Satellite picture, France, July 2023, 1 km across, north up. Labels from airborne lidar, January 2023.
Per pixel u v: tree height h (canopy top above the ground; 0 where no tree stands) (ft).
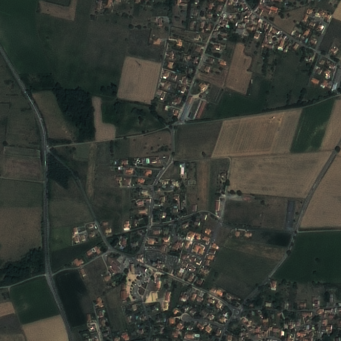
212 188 0
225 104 0
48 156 27
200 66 0
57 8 0
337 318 40
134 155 0
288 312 34
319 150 0
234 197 0
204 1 22
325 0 0
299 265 0
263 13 0
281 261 0
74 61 0
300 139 0
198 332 22
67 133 0
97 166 0
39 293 0
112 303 0
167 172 0
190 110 0
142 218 0
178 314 28
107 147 0
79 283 0
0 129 0
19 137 0
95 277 0
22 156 0
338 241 0
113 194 0
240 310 0
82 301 0
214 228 0
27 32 0
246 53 0
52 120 0
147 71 0
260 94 0
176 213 0
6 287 0
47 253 0
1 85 0
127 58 0
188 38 0
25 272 68
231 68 0
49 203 0
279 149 0
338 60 27
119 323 0
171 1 31
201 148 0
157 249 0
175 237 0
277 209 0
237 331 19
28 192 0
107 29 0
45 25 0
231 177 0
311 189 0
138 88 0
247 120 0
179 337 23
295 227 0
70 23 0
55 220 0
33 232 0
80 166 0
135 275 0
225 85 0
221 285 0
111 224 0
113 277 39
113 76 0
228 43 0
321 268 0
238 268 0
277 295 28
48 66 0
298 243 0
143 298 0
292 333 25
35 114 0
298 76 0
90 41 0
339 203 0
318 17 0
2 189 0
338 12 0
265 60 32
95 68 0
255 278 0
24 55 0
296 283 29
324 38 0
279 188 0
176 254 27
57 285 0
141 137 0
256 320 0
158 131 0
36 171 0
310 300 0
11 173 0
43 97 0
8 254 0
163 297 0
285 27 0
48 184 32
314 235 0
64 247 0
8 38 0
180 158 0
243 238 0
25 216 0
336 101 0
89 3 0
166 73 0
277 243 0
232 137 0
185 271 0
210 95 0
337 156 0
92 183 0
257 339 0
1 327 0
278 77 0
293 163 0
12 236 0
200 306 23
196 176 0
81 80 0
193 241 0
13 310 0
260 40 0
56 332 0
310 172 0
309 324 21
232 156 0
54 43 0
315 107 0
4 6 0
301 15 0
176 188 27
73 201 0
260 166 0
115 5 0
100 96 0
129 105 0
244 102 0
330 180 0
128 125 0
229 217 0
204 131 0
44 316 0
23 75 0
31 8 0
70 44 0
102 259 0
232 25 36
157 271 0
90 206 0
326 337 66
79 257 0
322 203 0
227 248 0
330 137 0
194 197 0
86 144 0
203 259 0
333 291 0
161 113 0
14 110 0
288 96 35
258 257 0
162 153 0
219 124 0
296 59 0
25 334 0
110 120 0
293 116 0
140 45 0
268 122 0
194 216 25
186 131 0
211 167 0
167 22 0
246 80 0
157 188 23
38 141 0
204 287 0
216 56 23
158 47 0
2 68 0
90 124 57
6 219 0
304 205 0
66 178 30
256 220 0
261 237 0
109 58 0
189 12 29
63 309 0
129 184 0
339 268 0
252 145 0
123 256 0
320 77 0
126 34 0
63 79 0
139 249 26
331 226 0
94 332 0
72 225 0
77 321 0
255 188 0
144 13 0
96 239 0
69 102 71
